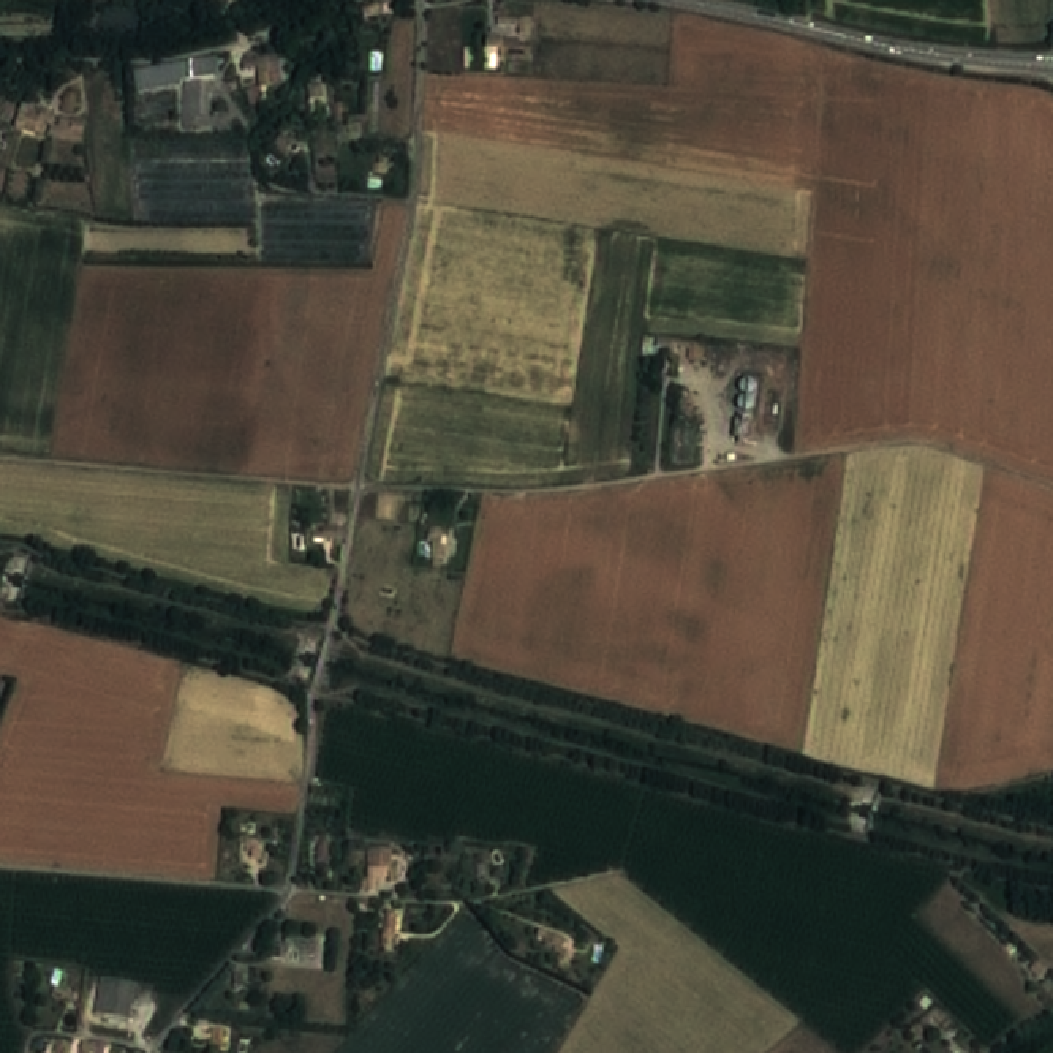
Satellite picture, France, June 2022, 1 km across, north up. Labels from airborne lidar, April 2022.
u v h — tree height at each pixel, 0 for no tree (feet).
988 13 0
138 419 0
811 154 0
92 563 75
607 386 0
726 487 0
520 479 0
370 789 19
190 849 0
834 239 0
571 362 0
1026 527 0
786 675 0
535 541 0
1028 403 0
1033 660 0
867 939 18
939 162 0
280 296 0
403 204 0
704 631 0
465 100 0
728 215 0
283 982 0
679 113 0
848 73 0
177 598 45
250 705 0
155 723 0
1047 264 0
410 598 0
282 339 0
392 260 0
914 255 0
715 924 20
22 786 0
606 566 0
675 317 0
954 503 0
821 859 22
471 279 0
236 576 0
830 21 0
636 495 0
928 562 0
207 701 0
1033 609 0
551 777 20
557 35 0
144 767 0
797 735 0
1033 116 0
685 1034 0
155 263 22
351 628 38
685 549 0
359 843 48
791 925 23
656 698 0
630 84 0
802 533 0
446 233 0
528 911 22
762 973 18
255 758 0
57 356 0
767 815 86
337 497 0
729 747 39
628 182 0
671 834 20
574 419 0
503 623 0
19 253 0
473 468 0
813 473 0
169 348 0
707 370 0
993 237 0
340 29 39
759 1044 0
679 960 0
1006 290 0
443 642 0
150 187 0
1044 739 0
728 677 0
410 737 18
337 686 0
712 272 0
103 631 75
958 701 0
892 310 0
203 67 0
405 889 31
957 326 0
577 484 0
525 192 0
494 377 0
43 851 0
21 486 0
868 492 0
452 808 18
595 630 0
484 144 0
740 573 0
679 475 0
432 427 0
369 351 0
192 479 0
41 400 0
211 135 23
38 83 32
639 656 0
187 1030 31
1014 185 0
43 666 0
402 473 0
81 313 0
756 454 0
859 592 0
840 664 0
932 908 0
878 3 0
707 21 0
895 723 0
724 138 0
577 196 0
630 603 0
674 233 0
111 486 0
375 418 0
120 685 0
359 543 0
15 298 0
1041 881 84
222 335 0
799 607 0
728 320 0
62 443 0
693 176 0
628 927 0
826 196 0
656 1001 0
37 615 74
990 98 0
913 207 0
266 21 57
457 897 34
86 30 50
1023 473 0
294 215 0
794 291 0
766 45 0
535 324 0
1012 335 0
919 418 0
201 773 0
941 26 0
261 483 0
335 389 0
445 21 0
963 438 0
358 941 22
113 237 0
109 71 27
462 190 0
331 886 28
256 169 36
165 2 52
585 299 0
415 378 0
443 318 0
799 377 0
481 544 0
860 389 0
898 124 0
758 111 0
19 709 0
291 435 0
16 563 0
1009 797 18
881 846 56
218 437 0
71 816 0
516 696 33
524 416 0
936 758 0
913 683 0
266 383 0
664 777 62
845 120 0
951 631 0
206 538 0
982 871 62
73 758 0
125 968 20
